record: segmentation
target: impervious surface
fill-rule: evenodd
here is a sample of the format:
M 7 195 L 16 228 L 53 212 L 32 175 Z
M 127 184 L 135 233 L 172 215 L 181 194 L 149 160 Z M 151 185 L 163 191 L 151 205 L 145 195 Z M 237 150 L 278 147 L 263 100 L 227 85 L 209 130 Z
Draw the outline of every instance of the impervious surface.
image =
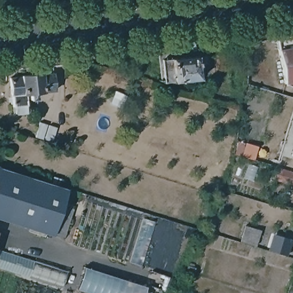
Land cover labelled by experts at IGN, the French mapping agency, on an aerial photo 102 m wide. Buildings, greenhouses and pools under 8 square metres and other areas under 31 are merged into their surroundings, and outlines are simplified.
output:
M 62 274 L 58 274 L 45 268 L 29 269 L 0 260 L 0 270 L 17 276 L 13 293 L 82 293 L 82 280 L 89 269 L 149 287 L 148 293 L 165 293 L 169 277 L 173 276 L 175 263 L 179 259 L 183 240 L 188 238 L 187 225 L 114 204 L 108 200 L 87 196 L 85 193 L 82 193 L 78 207 L 71 209 L 69 214 L 62 232 L 56 237 L 47 236 L 46 233 L 33 229 L 29 232 L 11 228 L 7 222 L 0 221 L 0 255 L 6 252 L 8 247 L 15 247 L 31 250 L 30 255 L 35 258 L 68 266 Z
M 65 113 L 60 109 L 61 102 L 66 96 L 65 81 L 64 70 L 60 65 L 56 65 L 53 72 L 57 74 L 61 87 L 56 93 L 39 94 L 37 100 L 30 103 L 29 114 L 29 122 L 39 124 L 56 127 L 56 134 L 61 134 L 60 127 L 65 122 Z
M 245 155 L 253 160 L 258 158 L 261 163 L 271 165 L 279 172 L 284 169 L 293 173 L 293 111 L 285 138 L 280 144 L 278 159 L 264 159 L 267 152 L 258 145 L 239 142 L 237 156 Z
M 130 21 L 124 23 L 113 23 L 108 17 L 104 17 L 100 26 L 94 29 L 74 29 L 71 25 L 60 33 L 41 32 L 38 24 L 33 24 L 29 37 L 25 39 L 13 41 L 0 38 L 0 50 L 9 49 L 16 57 L 22 57 L 26 49 L 45 43 L 53 48 L 53 52 L 58 52 L 65 38 L 95 43 L 101 35 L 128 39 L 129 31 L 133 29 L 145 29 L 151 34 L 159 34 L 161 27 L 172 23 L 183 23 L 183 30 L 188 31 L 199 22 L 206 22 L 208 18 L 215 18 L 219 25 L 231 25 L 231 18 L 238 14 L 248 14 L 256 18 L 266 16 L 266 10 L 274 5 L 290 6 L 293 16 L 293 0 L 238 0 L 236 6 L 230 8 L 207 6 L 200 14 L 190 18 L 177 16 L 174 10 L 171 11 L 171 15 L 158 21 L 144 19 L 140 14 L 133 15 Z

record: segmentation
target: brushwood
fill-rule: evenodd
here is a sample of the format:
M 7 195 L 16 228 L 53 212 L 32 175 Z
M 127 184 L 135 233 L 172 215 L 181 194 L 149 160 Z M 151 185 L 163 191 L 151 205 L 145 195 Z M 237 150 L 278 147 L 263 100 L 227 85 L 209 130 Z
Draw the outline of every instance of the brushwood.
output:
M 239 142 L 238 138 L 241 138 L 239 135 L 232 136 L 230 161 L 221 175 L 225 183 L 231 184 L 232 174 L 237 172 L 237 168 L 241 168 L 241 172 L 246 174 L 247 167 L 253 165 L 256 166 L 254 180 L 259 183 L 261 190 L 252 189 L 250 195 L 264 199 L 263 203 L 270 206 L 283 209 L 290 209 L 286 203 L 293 195 L 293 184 L 286 184 L 285 188 L 279 185 L 279 172 L 271 165 L 261 163 L 258 158 L 253 160 L 245 155 L 237 156 Z

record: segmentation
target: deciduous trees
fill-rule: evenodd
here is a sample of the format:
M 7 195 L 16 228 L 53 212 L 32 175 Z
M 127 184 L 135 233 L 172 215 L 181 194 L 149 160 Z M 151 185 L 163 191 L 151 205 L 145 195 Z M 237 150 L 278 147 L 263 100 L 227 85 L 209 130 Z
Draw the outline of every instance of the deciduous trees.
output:
M 66 149 L 62 150 L 43 143 L 42 150 L 47 159 L 61 156 L 74 158 L 79 155 L 77 145 L 66 145 Z
M 133 128 L 120 126 L 116 129 L 113 141 L 130 149 L 140 137 L 140 133 L 135 132 Z
M 13 293 L 17 276 L 0 270 L 0 293 Z
M 79 117 L 85 117 L 87 113 L 98 110 L 90 92 L 97 87 L 96 81 L 108 70 L 116 72 L 114 79 L 117 81 L 127 82 L 125 96 L 119 108 L 118 118 L 121 124 L 140 120 L 138 116 L 142 111 L 133 100 L 134 94 L 140 96 L 138 87 L 144 87 L 145 92 L 150 93 L 150 97 L 155 100 L 151 114 L 155 122 L 161 124 L 171 114 L 183 114 L 184 111 L 176 105 L 177 98 L 173 96 L 172 90 L 164 88 L 165 84 L 160 76 L 159 56 L 164 52 L 168 52 L 169 55 L 187 54 L 195 48 L 211 55 L 216 61 L 216 70 L 225 72 L 225 79 L 221 87 L 216 87 L 214 80 L 204 79 L 201 82 L 184 85 L 179 97 L 207 103 L 207 109 L 201 113 L 205 121 L 222 118 L 227 113 L 224 108 L 238 110 L 236 119 L 217 124 L 212 132 L 215 142 L 232 136 L 239 135 L 241 138 L 251 138 L 252 129 L 251 117 L 243 110 L 243 103 L 251 102 L 261 89 L 248 82 L 253 72 L 251 55 L 263 41 L 276 41 L 284 45 L 284 41 L 293 39 L 293 16 L 290 6 L 274 5 L 266 10 L 266 16 L 256 18 L 248 14 L 238 14 L 231 18 L 231 25 L 219 25 L 215 18 L 208 18 L 206 22 L 199 22 L 188 31 L 183 30 L 183 23 L 172 23 L 161 27 L 159 34 L 151 34 L 145 29 L 133 29 L 129 31 L 128 39 L 101 35 L 95 43 L 65 38 L 58 52 L 53 52 L 53 48 L 45 43 L 26 49 L 22 57 L 16 57 L 9 49 L 0 50 L 0 85 L 9 84 L 9 78 L 13 78 L 17 73 L 31 72 L 42 77 L 53 72 L 56 65 L 60 65 L 64 70 L 65 81 L 73 89 L 77 89 L 78 93 L 85 95 L 77 109 Z
M 185 267 L 191 267 L 191 262 L 201 264 L 206 246 L 216 240 L 213 237 L 213 216 L 219 217 L 222 222 L 228 215 L 235 221 L 239 219 L 240 212 L 239 207 L 233 206 L 229 214 L 225 214 L 223 208 L 230 204 L 229 196 L 222 198 L 221 192 L 206 192 L 199 189 L 201 203 L 197 205 L 197 211 L 200 216 L 193 224 L 197 225 L 197 229 L 204 233 L 204 236 L 199 238 L 191 235 L 188 238 L 183 240 L 179 259 L 175 263 L 173 276 L 169 277 L 165 293 L 198 293 L 197 278 L 185 272 Z
M 174 10 L 177 16 L 190 18 L 200 14 L 207 6 L 230 8 L 236 6 L 238 0 L 40 0 L 35 15 L 31 16 L 29 13 L 22 13 L 18 8 L 8 6 L 5 0 L 0 0 L 0 38 L 13 41 L 25 39 L 29 37 L 33 24 L 38 24 L 41 32 L 60 33 L 71 25 L 74 29 L 94 29 L 100 26 L 104 17 L 108 17 L 113 23 L 124 23 L 130 21 L 133 15 L 140 14 L 144 19 L 158 21 L 171 15 L 171 11 Z

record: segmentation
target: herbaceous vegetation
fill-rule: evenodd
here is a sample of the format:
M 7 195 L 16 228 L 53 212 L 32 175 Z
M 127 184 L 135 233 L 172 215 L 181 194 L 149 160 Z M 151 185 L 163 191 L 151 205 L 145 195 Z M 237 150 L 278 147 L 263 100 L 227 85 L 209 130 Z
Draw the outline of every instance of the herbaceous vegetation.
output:
M 278 159 L 280 144 L 285 138 L 293 111 L 293 86 L 290 82 L 280 82 L 284 77 L 279 77 L 277 68 L 280 60 L 276 41 L 263 41 L 251 55 L 253 72 L 248 82 L 261 89 L 251 102 L 243 103 L 243 110 L 251 117 L 252 129 L 251 138 L 241 138 L 238 138 L 239 142 L 258 145 L 267 152 L 264 159 Z
M 31 16 L 35 15 L 40 0 L 5 0 L 8 6 L 18 8 L 22 13 L 29 13 Z
M 230 204 L 223 208 L 225 214 L 229 214 L 233 206 L 239 207 L 240 212 L 239 219 L 235 221 L 228 215 L 222 222 L 219 217 L 213 216 L 213 237 L 216 240 L 206 246 L 201 264 L 191 262 L 191 267 L 185 267 L 185 272 L 197 278 L 198 293 L 293 293 L 293 254 L 288 253 L 285 256 L 274 253 L 269 247 L 275 235 L 293 239 L 293 195 L 286 203 L 290 209 L 283 209 L 270 206 L 263 203 L 264 199 L 250 195 L 252 189 L 261 190 L 259 183 L 254 180 L 256 166 L 253 165 L 247 167 L 246 174 L 241 172 L 241 168 L 237 168 L 237 172 L 232 174 L 231 184 L 225 183 L 221 175 L 230 161 L 232 136 L 215 142 L 212 132 L 217 124 L 236 119 L 238 110 L 224 108 L 227 113 L 222 118 L 205 121 L 201 113 L 207 109 L 207 103 L 179 97 L 184 85 L 165 84 L 164 88 L 172 90 L 173 96 L 177 98 L 176 105 L 184 111 L 183 114 L 171 114 L 161 124 L 155 122 L 151 114 L 155 100 L 150 97 L 150 93 L 145 92 L 144 87 L 138 87 L 140 96 L 134 94 L 133 100 L 142 111 L 138 116 L 140 120 L 121 124 L 118 118 L 119 108 L 112 105 L 112 97 L 117 92 L 125 96 L 127 82 L 117 81 L 114 79 L 116 72 L 108 70 L 96 81 L 97 87 L 90 92 L 98 110 L 87 113 L 85 117 L 79 117 L 77 109 L 85 95 L 78 93 L 77 89 L 73 89 L 65 81 L 66 96 L 61 102 L 60 109 L 65 113 L 65 122 L 60 127 L 61 134 L 56 134 L 52 140 L 38 138 L 35 134 L 38 132 L 39 124 L 29 122 L 29 114 L 17 116 L 14 113 L 13 105 L 8 101 L 9 84 L 0 85 L 0 166 L 70 189 L 69 204 L 66 207 L 66 213 L 69 214 L 71 209 L 78 207 L 82 193 L 85 193 L 87 196 L 108 200 L 114 204 L 187 225 L 188 238 L 191 235 L 199 238 L 204 236 L 204 233 L 197 229 L 197 225 L 193 224 L 200 216 L 197 211 L 197 205 L 201 203 L 199 189 L 206 192 L 221 192 L 222 198 L 229 196 Z M 120 126 L 133 128 L 135 132 L 140 133 L 140 137 L 130 149 L 113 141 L 116 129 Z M 61 156 L 47 159 L 42 150 L 43 143 L 62 150 L 66 149 L 66 145 L 77 145 L 79 155 L 74 158 Z M 258 245 L 241 241 L 247 227 L 261 230 Z
M 204 79 L 214 80 L 216 87 L 221 87 L 225 79 L 225 72 L 216 70 L 216 61 L 211 55 L 195 48 L 187 54 L 169 55 L 168 60 L 176 60 L 180 63 L 180 68 L 188 65 L 190 61 L 195 64 L 203 58 Z

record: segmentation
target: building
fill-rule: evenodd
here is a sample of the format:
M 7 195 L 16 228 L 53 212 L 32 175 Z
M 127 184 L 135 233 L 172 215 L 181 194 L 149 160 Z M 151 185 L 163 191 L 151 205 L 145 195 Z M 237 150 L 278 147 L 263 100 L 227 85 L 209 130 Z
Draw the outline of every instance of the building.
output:
M 284 169 L 279 172 L 279 185 L 285 188 L 286 184 L 293 184 L 293 173 Z
M 284 41 L 284 45 L 276 41 L 280 60 L 277 68 L 279 77 L 284 77 L 280 82 L 290 82 L 293 86 L 293 39 Z
M 112 97 L 112 105 L 119 108 L 125 96 L 117 92 Z
M 57 74 L 53 72 L 42 77 L 31 72 L 17 73 L 13 78 L 9 78 L 9 84 L 8 101 L 13 105 L 14 113 L 17 116 L 29 114 L 30 103 L 37 100 L 39 94 L 56 93 L 61 87 Z
M 68 266 L 35 258 L 30 255 L 31 250 L 15 247 L 8 247 L 6 252 L 0 255 L 0 260 L 29 269 L 45 268 L 58 274 L 62 274 Z
M 169 55 L 168 52 L 164 52 L 159 56 L 160 76 L 165 84 L 184 85 L 201 82 L 204 79 L 203 58 L 195 64 L 190 61 L 188 65 L 180 68 L 180 63 L 176 60 L 168 60 Z
M 35 134 L 38 138 L 52 140 L 56 134 L 56 127 L 39 124 L 38 132 Z
M 258 245 L 261 230 L 247 227 L 241 241 Z
M 82 293 L 148 293 L 149 287 L 89 269 L 82 280 Z
M 69 204 L 70 189 L 0 166 L 0 221 L 7 222 L 11 228 L 29 232 L 33 229 L 46 233 L 47 236 L 56 237 L 62 232 L 69 214 L 66 213 L 66 207 Z
M 275 235 L 269 247 L 274 253 L 285 256 L 288 253 L 293 254 L 293 239 Z

